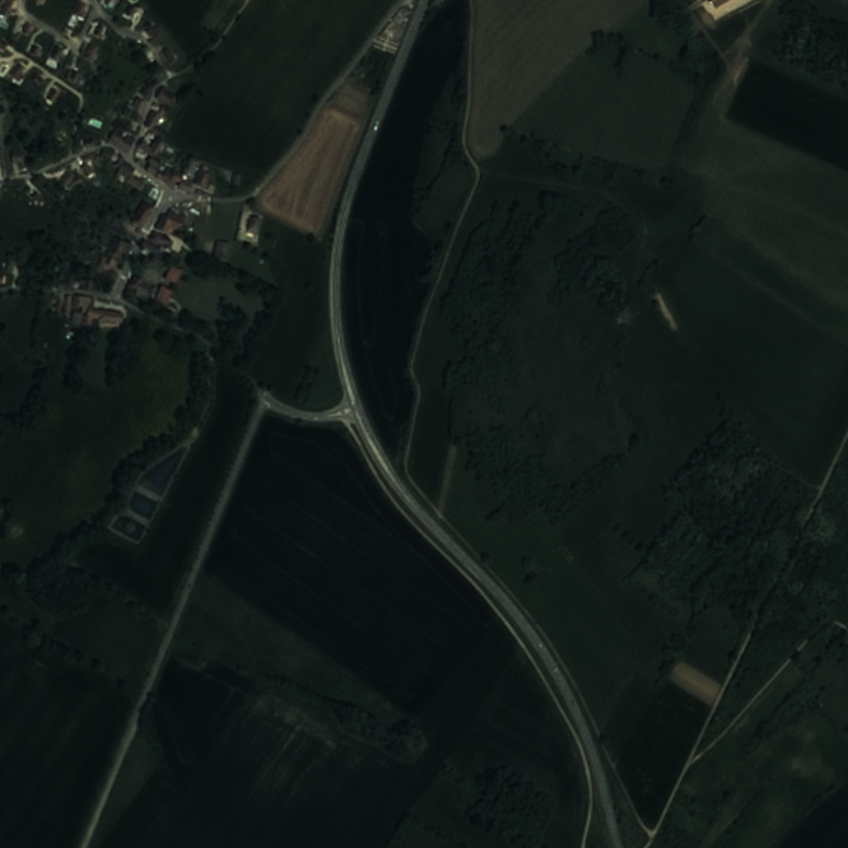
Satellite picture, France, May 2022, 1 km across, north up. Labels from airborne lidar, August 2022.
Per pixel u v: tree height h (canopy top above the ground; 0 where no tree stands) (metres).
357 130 0
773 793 0
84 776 0
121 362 23
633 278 0
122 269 8
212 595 0
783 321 0
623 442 0
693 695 0
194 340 17
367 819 0
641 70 0
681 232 0
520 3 0
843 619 7
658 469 0
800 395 0
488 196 0
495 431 5
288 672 0
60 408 0
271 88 0
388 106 0
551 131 0
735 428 11
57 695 0
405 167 0
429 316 0
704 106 0
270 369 0
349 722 20
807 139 0
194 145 0
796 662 14
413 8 0
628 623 0
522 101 0
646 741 0
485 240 8
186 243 7
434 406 0
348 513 0
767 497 9
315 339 0
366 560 0
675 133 0
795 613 14
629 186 0
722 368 0
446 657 0
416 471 0
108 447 0
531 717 0
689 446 0
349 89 0
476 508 0
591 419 0
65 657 18
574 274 5
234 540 0
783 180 0
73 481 0
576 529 0
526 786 9
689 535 13
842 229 0
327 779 0
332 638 0
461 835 0
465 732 0
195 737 0
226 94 0
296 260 0
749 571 11
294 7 0
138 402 0
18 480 0
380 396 0
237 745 0
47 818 0
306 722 0
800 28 17
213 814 0
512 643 0
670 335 0
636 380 0
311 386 8
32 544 0
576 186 0
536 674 0
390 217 0
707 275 0
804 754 0
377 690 0
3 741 0
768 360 0
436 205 0
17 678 0
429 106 0
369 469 0
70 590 25
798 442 0
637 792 0
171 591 0
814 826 0
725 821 0
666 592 6
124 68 0
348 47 0
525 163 0
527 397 0
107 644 0
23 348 0
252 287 22
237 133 0
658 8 16
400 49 0
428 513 0
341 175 0
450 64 0
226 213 0
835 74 19
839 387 0
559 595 0
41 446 0
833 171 0
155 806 0
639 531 0
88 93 6
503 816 11
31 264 10
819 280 0
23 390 0
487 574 0
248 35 0
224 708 0
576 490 6
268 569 0
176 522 0
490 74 0
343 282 0
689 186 0
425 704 0
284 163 0
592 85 0
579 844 0
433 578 0
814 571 9
